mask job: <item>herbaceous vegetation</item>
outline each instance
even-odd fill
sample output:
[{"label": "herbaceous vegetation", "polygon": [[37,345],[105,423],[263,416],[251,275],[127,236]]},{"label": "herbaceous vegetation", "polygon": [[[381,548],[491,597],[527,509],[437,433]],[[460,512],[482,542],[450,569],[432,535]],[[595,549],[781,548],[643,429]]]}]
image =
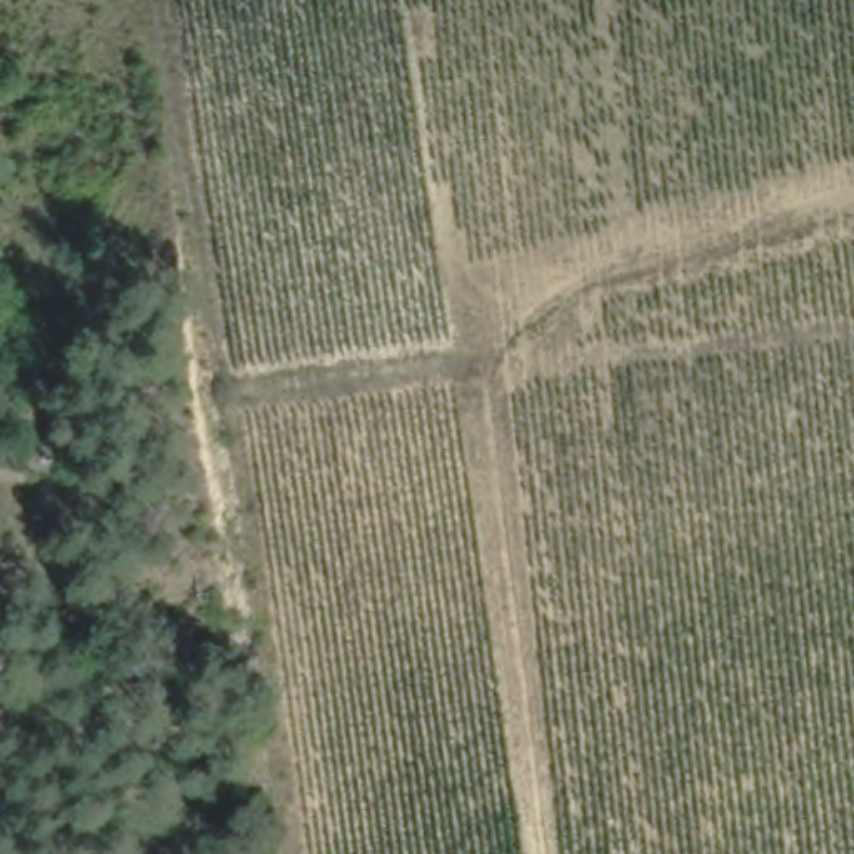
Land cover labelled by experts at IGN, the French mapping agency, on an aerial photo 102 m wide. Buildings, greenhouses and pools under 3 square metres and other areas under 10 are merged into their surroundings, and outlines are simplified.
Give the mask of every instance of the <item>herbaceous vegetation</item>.
[{"label": "herbaceous vegetation", "polygon": [[123,50],[127,77],[117,83],[100,83],[93,73],[73,70],[30,77],[17,67],[13,77],[0,87],[0,257],[7,260],[10,277],[23,294],[20,314],[27,320],[30,340],[37,347],[53,347],[60,337],[80,337],[100,320],[107,320],[130,287],[150,284],[153,277],[177,280],[177,254],[167,224],[170,193],[160,183],[157,157],[160,147],[157,80],[153,67],[137,50]]},{"label": "herbaceous vegetation", "polygon": [[570,294],[587,277],[641,270],[651,264],[657,267],[657,274],[664,274],[661,260],[671,257],[674,280],[694,284],[707,274],[741,274],[761,267],[764,260],[804,257],[817,244],[854,240],[854,157],[804,167],[804,173],[797,177],[754,180],[751,190],[711,190],[697,203],[651,203],[624,227],[604,227],[587,237],[540,240],[534,247],[500,250],[480,260],[470,260],[464,247],[454,260],[440,267],[447,324],[444,334],[424,340],[407,337],[380,347],[337,347],[330,354],[284,354],[274,360],[250,360],[237,367],[237,377],[260,377],[274,370],[337,367],[347,360],[387,360],[404,354],[457,350],[460,357],[474,357],[504,347],[514,327],[527,324],[540,307],[547,307],[560,294]]}]

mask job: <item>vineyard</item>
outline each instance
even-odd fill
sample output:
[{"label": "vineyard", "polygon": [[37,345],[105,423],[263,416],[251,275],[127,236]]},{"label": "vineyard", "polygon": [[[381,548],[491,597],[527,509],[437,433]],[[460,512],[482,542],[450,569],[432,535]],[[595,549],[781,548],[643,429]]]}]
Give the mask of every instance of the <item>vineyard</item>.
[{"label": "vineyard", "polygon": [[220,137],[217,130],[230,117],[247,113],[254,97],[270,100],[270,107],[284,107],[287,90],[270,87],[260,77],[240,77],[237,97],[220,97],[210,103],[214,70],[210,60],[203,60],[200,53],[200,73],[180,80],[180,97],[193,97],[190,107],[183,107],[187,147],[177,147],[173,153],[160,147],[157,157],[160,183],[170,193],[167,224],[177,254],[177,280],[173,300],[180,304],[183,317],[180,334],[187,354],[193,437],[210,500],[210,527],[217,530],[210,544],[210,560],[220,560],[217,590],[224,597],[224,607],[240,610],[240,627],[230,634],[230,667],[240,677],[250,677],[257,671],[267,681],[267,687],[244,704],[257,717],[247,737],[237,744],[234,784],[260,787],[254,794],[254,807],[274,821],[270,854],[854,854],[854,240],[817,244],[804,257],[764,260],[761,267],[741,274],[707,274],[694,284],[674,280],[671,257],[661,260],[664,274],[657,274],[657,267],[651,264],[641,270],[587,277],[570,294],[560,294],[547,307],[540,307],[527,324],[514,327],[504,347],[474,357],[460,357],[457,350],[404,354],[387,360],[347,360],[337,367],[274,370],[260,377],[237,377],[237,367],[250,360],[274,360],[284,354],[330,354],[337,347],[380,347],[407,337],[424,340],[444,334],[447,324],[440,267],[454,260],[464,247],[470,260],[480,260],[500,250],[534,247],[540,240],[587,237],[604,227],[624,227],[651,203],[697,203],[711,190],[751,190],[754,180],[797,177],[804,173],[804,167],[854,157],[854,0],[397,0],[417,110],[417,137],[410,143],[387,143],[384,127],[374,127],[374,147],[360,147],[350,143],[344,123],[334,123],[337,157],[324,163],[324,177],[307,173],[310,203],[300,203],[294,210],[270,203],[264,200],[260,177],[230,177],[224,167],[227,160],[244,160],[244,153],[254,150],[254,140]]},{"label": "vineyard", "polygon": [[210,0],[220,23],[257,20],[267,0]]}]

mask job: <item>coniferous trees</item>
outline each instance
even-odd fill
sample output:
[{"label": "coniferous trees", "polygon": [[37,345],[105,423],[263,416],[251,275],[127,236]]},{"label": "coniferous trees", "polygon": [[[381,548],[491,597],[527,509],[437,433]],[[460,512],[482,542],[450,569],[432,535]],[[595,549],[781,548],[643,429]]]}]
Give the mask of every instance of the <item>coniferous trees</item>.
[{"label": "coniferous trees", "polygon": [[230,634],[240,627],[240,610],[224,607],[224,597],[217,590],[220,560],[210,560],[210,544],[217,530],[210,527],[210,500],[193,437],[187,354],[180,334],[183,317],[180,304],[173,300],[177,280],[153,277],[150,284],[130,287],[107,320],[100,320],[80,337],[60,337],[53,347],[37,347],[30,340],[27,320],[23,327],[7,330],[7,337],[0,340],[0,854],[270,854],[274,821],[254,807],[254,794],[260,787],[234,784],[237,744],[247,737],[257,717],[244,704],[267,687],[267,681],[257,671],[250,677],[240,677],[230,667]]}]

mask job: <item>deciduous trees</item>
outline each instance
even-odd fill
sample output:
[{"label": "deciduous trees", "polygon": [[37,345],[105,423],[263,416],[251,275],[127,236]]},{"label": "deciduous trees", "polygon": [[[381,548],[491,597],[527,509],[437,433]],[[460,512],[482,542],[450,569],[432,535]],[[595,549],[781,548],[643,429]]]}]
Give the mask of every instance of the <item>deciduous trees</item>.
[{"label": "deciduous trees", "polygon": [[27,320],[20,314],[23,294],[10,277],[7,260],[0,257],[0,340],[7,337],[7,330],[23,327]]}]

